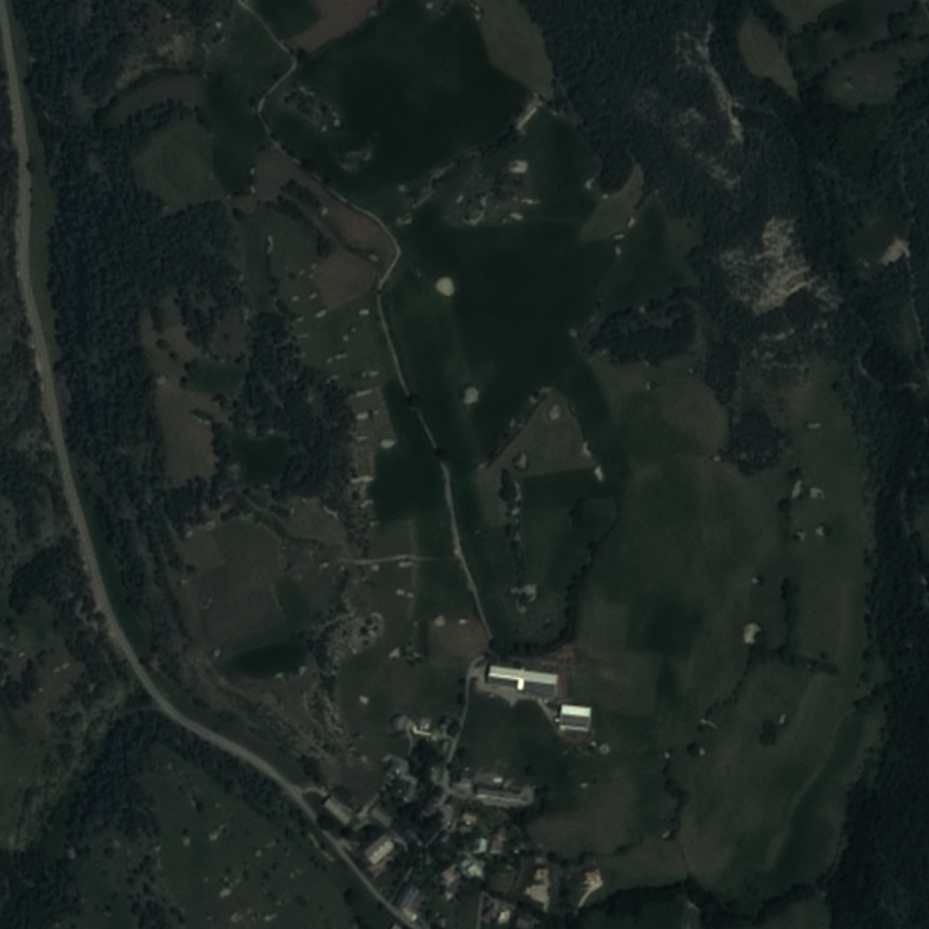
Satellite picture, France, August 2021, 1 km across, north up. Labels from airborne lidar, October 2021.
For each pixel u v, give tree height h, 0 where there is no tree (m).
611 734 0
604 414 0
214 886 0
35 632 0
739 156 7
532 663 0
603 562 0
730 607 0
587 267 0
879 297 11
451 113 0
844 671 0
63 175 7
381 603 0
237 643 0
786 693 0
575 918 11
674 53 8
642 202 0
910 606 10
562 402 0
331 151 0
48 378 0
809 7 0
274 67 0
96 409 14
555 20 7
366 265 0
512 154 0
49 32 10
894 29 10
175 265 10
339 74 0
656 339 10
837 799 0
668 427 0
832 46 0
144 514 11
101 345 10
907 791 10
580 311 0
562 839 0
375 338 0
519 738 0
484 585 0
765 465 8
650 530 0
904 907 11
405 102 0
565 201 0
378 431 0
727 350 9
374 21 0
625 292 0
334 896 0
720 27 9
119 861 0
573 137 0
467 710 0
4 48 0
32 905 17
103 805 13
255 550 0
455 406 0
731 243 10
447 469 0
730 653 0
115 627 0
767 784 0
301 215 11
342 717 0
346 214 0
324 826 14
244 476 0
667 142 10
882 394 13
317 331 0
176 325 0
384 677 0
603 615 0
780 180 12
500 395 0
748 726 0
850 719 0
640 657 0
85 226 9
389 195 0
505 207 0
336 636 0
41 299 0
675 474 0
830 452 0
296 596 0
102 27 10
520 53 0
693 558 0
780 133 9
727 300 8
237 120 0
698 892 17
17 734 0
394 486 0
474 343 0
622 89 8
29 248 0
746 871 0
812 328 6
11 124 12
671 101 7
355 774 0
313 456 9
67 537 10
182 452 0
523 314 0
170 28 0
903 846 9
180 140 0
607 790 0
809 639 0
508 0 0
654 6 13
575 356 0
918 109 11
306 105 7
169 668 9
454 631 0
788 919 0
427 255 0
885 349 10
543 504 0
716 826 0
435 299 0
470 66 0
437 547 0
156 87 0
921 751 11
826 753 0
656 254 0
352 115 0
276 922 0
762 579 9
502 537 0
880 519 10
